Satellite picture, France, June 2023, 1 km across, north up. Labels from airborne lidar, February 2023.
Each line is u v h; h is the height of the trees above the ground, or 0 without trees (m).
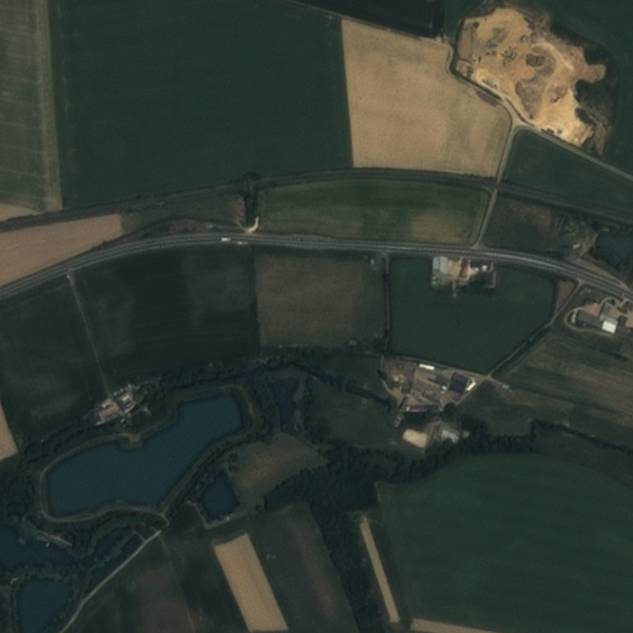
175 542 0
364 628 13
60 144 0
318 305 0
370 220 0
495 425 0
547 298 0
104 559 8
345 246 0
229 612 0
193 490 7
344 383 15
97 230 0
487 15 11
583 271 0
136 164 0
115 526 23
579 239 0
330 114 0
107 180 0
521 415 0
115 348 0
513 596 0
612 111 0
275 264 0
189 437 0
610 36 0
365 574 17
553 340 0
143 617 0
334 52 0
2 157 0
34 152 0
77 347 0
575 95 0
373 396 0
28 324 0
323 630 0
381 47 0
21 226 0
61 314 0
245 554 0
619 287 0
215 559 0
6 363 0
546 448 0
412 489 0
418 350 0
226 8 0
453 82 0
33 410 0
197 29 0
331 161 0
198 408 0
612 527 0
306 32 0
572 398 0
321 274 0
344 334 0
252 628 0
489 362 0
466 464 0
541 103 0
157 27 0
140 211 0
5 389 0
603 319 0
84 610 0
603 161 0
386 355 10
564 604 0
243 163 0
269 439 14
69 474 0
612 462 0
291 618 0
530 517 0
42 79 0
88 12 0
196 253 0
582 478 0
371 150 0
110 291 0
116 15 0
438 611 0
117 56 0
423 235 0
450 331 0
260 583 0
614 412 0
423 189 0
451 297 0
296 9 0
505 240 0
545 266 0
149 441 0
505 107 0
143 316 0
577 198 0
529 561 0
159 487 0
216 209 0
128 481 0
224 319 0
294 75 0
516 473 0
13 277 0
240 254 0
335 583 0
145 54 0
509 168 0
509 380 0
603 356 0
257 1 0
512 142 0
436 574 0
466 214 0
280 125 0
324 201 0
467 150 0
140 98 0
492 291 8
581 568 0
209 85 0
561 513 0
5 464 7
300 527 0
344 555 17
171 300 0
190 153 0
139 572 0
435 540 0
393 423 0
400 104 0
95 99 0
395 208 0
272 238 0
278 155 0
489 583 0
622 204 0
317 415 0
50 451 17
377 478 19
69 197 0
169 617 0
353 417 0
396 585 0
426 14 0
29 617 0
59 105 0
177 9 0
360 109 0
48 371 0
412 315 0
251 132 0
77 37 0
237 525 0
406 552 0
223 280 0
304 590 0
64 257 0
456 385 0
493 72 0
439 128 0
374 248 0
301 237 0
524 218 0
